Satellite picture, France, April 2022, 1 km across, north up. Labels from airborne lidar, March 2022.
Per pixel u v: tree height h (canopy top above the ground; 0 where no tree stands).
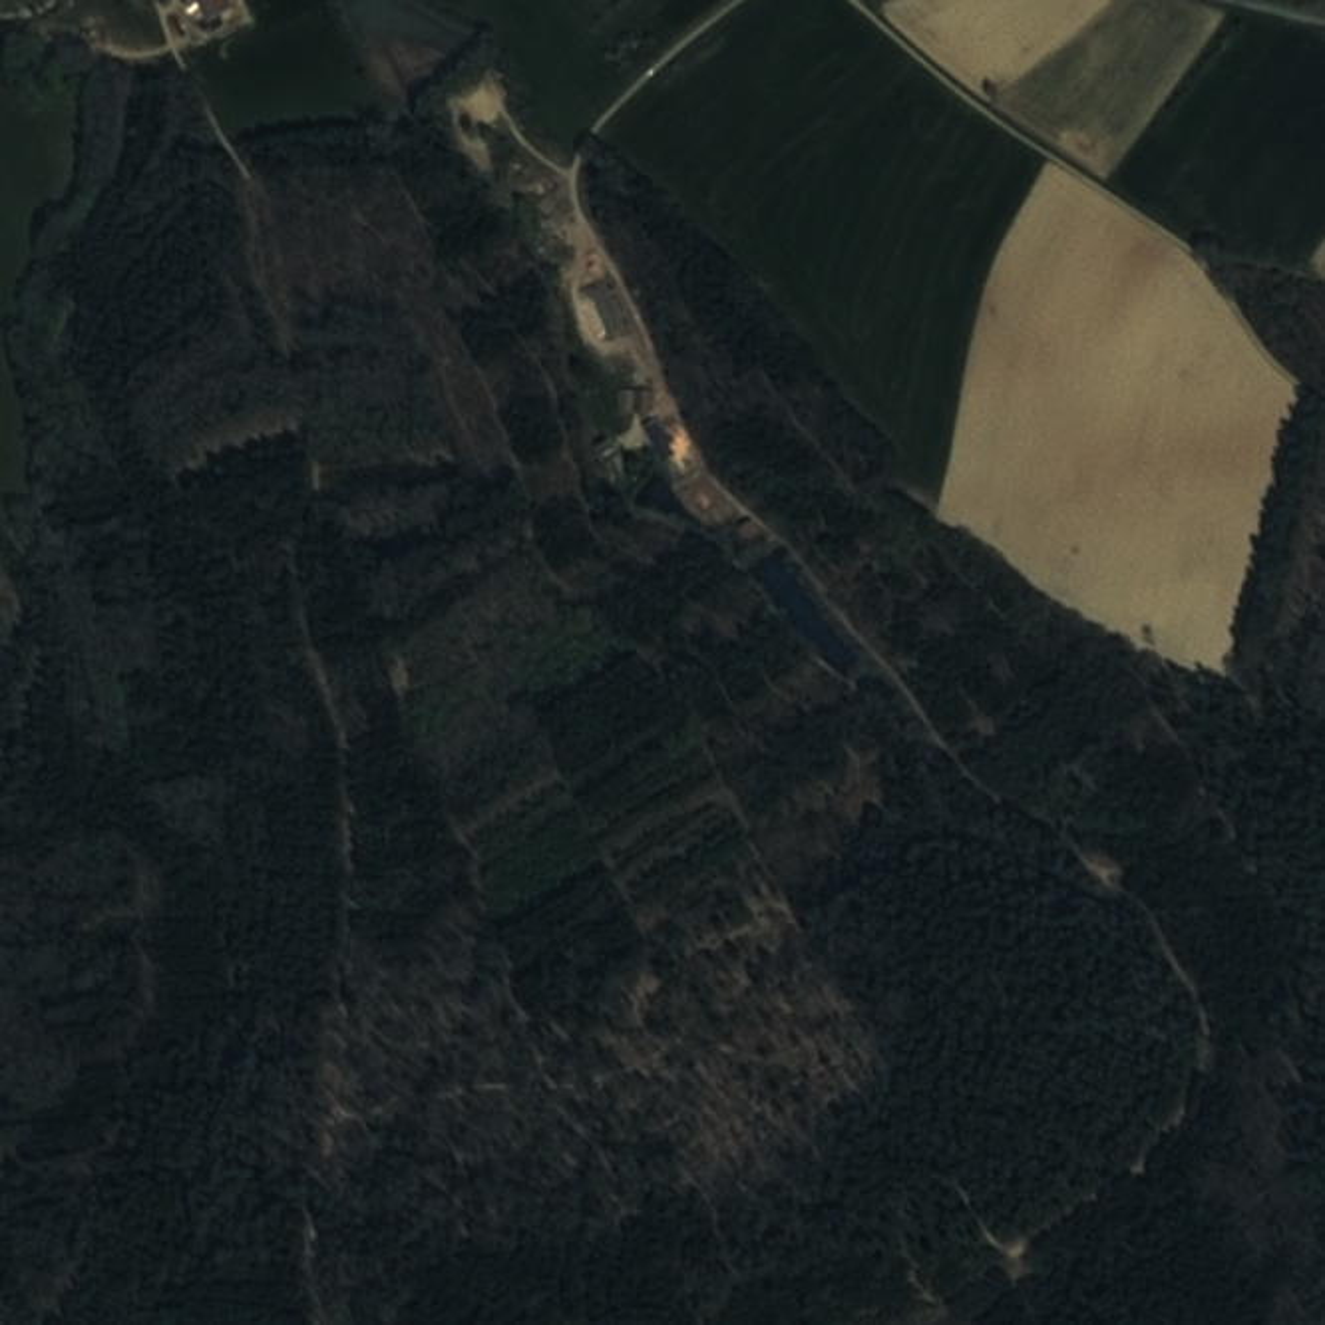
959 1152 40
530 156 0
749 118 0
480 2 0
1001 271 0
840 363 0
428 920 16
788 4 0
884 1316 7
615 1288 14
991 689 13
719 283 29
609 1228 26
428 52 0
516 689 20
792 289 0
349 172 17
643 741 19
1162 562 0
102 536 25
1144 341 0
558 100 0
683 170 0
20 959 30
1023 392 0
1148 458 0
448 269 12
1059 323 0
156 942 20
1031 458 0
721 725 18
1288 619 28
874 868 19
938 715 15
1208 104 0
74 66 31
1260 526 0
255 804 29
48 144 0
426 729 23
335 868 18
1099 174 0
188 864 25
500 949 27
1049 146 0
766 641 17
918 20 0
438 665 23
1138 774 16
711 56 0
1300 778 12
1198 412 0
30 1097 27
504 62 21
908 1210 35
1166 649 0
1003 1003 32
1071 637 14
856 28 0
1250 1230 14
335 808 21
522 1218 8
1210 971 13
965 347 0
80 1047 23
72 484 28
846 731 19
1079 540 0
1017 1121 29
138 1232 33
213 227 23
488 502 29
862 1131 32
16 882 27
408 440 25
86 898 21
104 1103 17
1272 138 0
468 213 16
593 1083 31
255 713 20
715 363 16
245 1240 27
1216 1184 19
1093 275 0
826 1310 8
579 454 13
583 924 20
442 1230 24
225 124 0
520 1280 14
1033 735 18
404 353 29
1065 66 0
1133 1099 37
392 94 0
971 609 16
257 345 23
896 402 0
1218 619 0
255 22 0
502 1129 31
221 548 19
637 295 17
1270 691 31
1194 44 0
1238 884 12
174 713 27
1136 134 0
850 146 0
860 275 0
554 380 10
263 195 19
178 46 0
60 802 24
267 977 17
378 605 27
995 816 15
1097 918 39
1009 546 0
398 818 15
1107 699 18
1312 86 0
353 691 17
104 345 23
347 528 26
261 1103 15
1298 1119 27
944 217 0
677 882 11
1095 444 0
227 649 25
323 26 0
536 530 27
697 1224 18
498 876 12
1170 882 20
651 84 0
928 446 0
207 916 21
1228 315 0
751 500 18
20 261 0
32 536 26
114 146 32
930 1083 34
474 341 18
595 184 18
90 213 25
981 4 0
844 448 21
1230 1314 21
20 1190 27
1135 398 0
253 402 31
